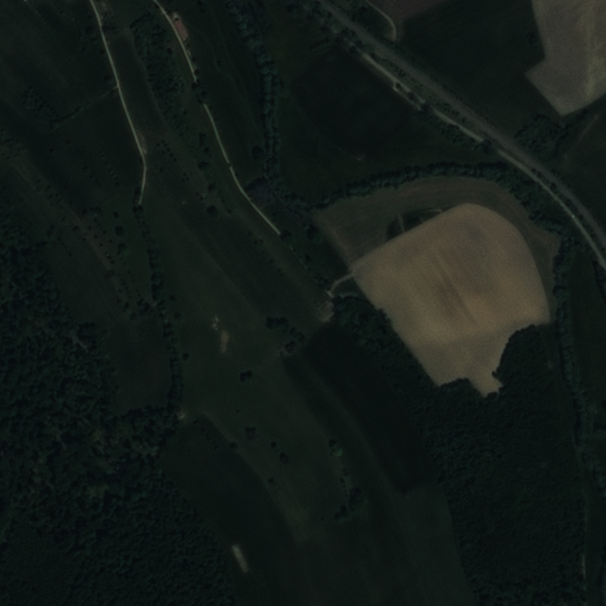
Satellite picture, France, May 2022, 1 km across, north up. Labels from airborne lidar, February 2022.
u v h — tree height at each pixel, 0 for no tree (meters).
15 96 0
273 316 0
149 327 0
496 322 0
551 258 0
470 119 0
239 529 0
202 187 0
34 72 0
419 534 0
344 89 0
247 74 0
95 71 0
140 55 6
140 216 10
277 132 19
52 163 0
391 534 0
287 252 0
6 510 27
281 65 0
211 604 26
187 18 0
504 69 0
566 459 13
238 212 0
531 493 8
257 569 0
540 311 0
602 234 0
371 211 0
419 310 0
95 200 0
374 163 0
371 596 0
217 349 0
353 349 0
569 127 9
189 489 0
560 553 14
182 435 0
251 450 0
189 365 0
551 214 0
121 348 0
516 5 0
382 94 0
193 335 0
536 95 0
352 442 0
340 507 0
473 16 0
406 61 12
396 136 0
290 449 0
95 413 7
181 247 0
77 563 12
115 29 7
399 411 0
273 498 0
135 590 25
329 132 0
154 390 0
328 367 0
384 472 0
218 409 0
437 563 0
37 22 0
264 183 18
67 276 0
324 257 0
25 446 27
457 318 0
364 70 0
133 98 0
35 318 27
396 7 0
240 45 0
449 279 0
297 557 0
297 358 0
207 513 0
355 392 0
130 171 0
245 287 0
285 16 0
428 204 0
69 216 0
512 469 12
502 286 0
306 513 0
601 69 0
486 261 0
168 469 0
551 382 9
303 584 0
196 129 0
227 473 0
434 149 0
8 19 0
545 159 13
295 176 0
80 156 0
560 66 0
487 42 0
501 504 13
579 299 0
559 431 12
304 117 0
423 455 0
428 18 0
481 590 17
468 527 12
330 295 0
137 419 24
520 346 11
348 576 0
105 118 0
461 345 0
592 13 0
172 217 0
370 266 0
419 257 0
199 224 0
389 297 0
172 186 0
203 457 0
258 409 0
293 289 0
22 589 17
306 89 0
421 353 0
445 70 0
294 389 0
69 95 0
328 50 0
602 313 0
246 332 0
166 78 8
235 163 0
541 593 6
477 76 0
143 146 0
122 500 34
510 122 0
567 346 14
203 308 0
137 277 0
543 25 0
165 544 26
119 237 15
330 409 0
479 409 12
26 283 27
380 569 0
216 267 0
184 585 27
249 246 0
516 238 0
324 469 0
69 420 7
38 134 0
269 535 0
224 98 0
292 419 0
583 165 0
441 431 9
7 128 0
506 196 0
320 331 0
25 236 13
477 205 0
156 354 0
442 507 0
